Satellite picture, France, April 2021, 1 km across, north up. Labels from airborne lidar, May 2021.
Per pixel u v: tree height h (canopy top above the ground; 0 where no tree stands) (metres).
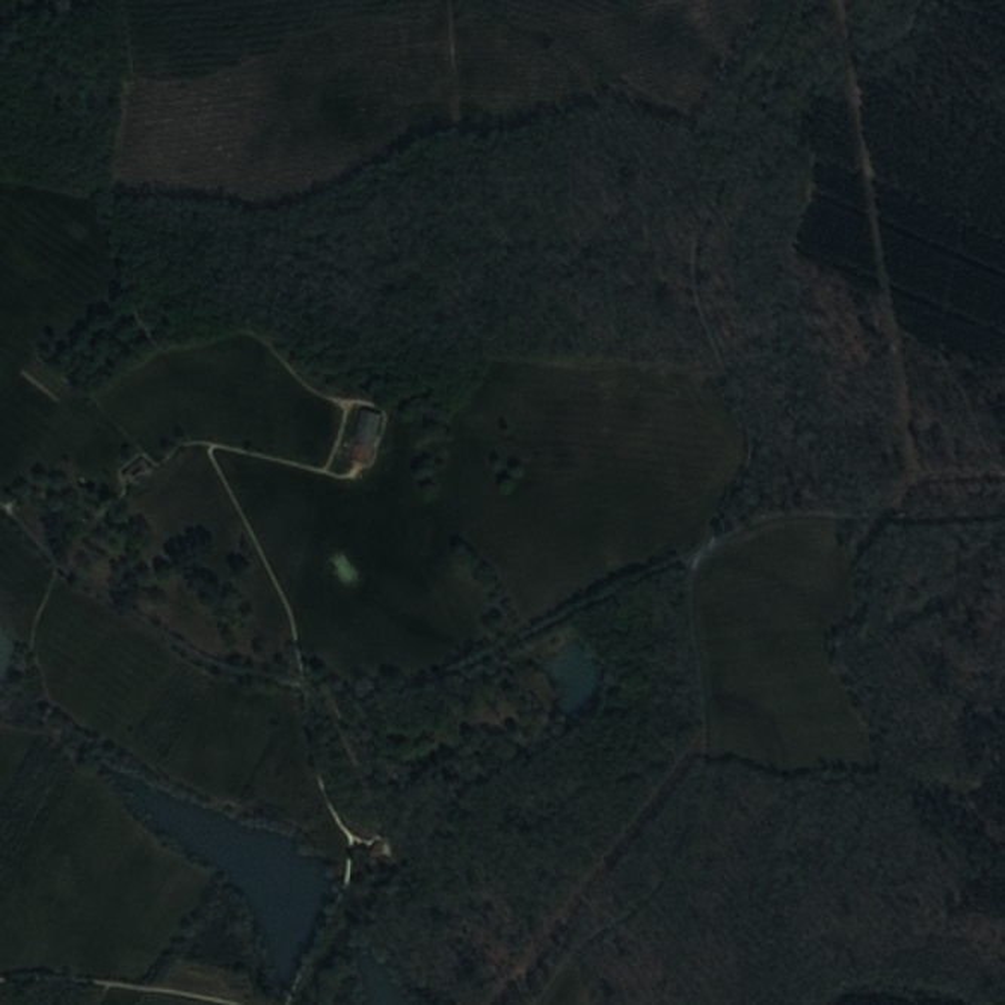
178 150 0
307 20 6
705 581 0
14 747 0
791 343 19
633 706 15
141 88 0
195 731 0
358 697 16
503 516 0
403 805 18
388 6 6
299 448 0
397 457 0
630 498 0
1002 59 18
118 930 0
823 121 19
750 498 15
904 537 24
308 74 0
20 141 19
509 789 18
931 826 27
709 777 18
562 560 0
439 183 15
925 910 12
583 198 22
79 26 16
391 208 22
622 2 6
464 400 15
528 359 12
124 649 0
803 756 0
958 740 13
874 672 20
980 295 13
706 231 17
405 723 23
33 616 0
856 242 11
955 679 21
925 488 13
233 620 16
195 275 22
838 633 11
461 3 9
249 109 0
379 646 0
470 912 12
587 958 18
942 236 12
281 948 0
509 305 21
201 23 5
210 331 19
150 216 22
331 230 21
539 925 21
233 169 0
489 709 21
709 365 13
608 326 16
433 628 0
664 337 16
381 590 0
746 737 0
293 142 0
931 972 18
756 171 25
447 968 14
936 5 15
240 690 8
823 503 15
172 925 0
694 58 0
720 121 21
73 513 16
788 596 0
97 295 0
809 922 17
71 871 0
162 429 0
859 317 8
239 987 0
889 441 19
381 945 19
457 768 15
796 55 18
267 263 19
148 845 0
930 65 20
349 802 17
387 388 17
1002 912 16
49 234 0
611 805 21
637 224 21
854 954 19
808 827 23
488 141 22
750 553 0
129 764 21
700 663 14
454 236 18
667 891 16
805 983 20
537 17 6
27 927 0
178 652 8
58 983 13
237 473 0
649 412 0
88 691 0
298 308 13
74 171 23
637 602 22
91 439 0
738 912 20
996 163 17
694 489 0
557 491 0
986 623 13
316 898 0
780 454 14
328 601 0
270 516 0
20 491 14
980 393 11
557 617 9
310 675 15
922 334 12
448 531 0
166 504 0
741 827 17
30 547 13
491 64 0
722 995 14
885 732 14
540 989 18
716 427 0
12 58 19
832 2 19
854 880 20
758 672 0
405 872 14
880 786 17
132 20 7
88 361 20
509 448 0
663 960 14
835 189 12
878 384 14
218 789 0
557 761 21
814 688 0
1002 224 17
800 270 8
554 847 21
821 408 17
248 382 0
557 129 20
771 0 16
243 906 12
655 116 19
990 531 20
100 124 15
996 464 17
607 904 17
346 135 0
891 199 13
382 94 0
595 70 0
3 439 0
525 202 19
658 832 19
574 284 17
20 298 0
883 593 20
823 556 0
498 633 16
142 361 20
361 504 0
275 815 6
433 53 0
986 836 29
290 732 0
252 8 6
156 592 9
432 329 20
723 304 16
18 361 0
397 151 16
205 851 0
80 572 12
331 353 15
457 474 0
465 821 19
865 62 17
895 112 17
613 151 19
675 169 15
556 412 0
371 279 20
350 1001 22
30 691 11
